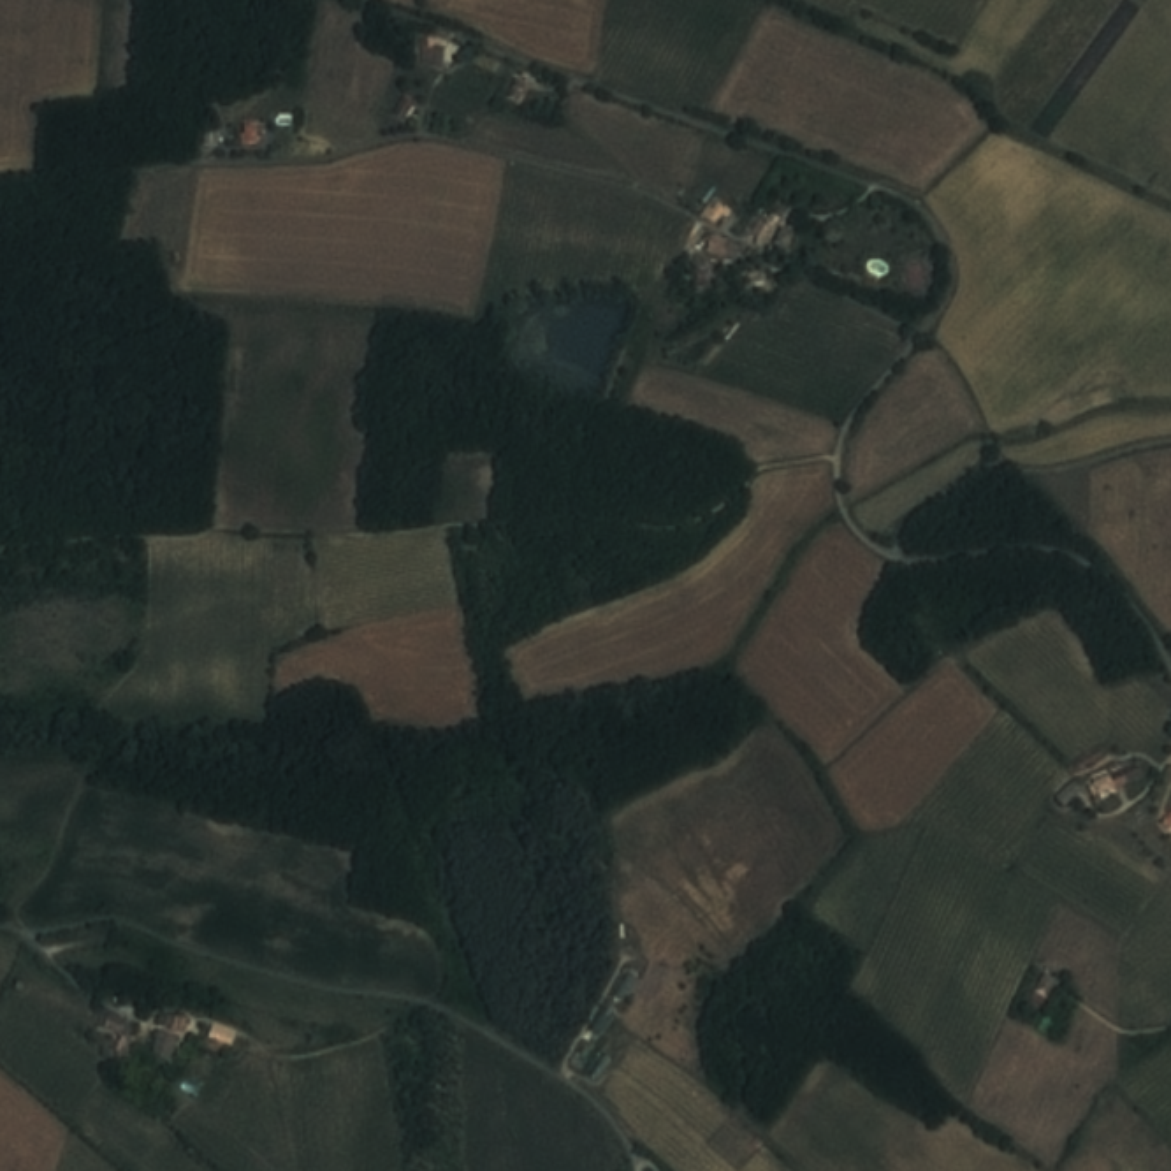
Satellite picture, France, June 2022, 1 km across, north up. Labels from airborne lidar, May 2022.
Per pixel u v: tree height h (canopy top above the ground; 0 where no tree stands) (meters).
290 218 0
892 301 16
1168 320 0
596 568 13
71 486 19
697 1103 0
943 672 0
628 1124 0
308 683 14
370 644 0
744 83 0
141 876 0
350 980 0
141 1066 9
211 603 0
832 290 13
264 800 17
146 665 0
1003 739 0
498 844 23
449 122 6
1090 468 0
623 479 12
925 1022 0
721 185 0
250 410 0
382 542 0
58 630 0
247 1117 0
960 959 0
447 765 23
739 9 0
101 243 17
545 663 0
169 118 12
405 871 14
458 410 16
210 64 18
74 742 28
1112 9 0
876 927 0
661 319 0
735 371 0
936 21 0
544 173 0
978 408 0
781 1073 13
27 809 0
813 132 0
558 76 12
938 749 0
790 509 0
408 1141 15
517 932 22
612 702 23
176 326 17
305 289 0
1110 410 0
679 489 13
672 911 0
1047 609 10
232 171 0
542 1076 0
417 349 17
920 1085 12
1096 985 0
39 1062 0
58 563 12
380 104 0
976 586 9
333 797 19
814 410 0
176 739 6
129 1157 0
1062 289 0
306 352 0
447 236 0
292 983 0
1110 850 0
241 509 0
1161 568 0
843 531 0
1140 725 0
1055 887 0
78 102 8
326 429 0
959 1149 0
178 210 0
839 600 0
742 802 0
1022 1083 0
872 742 0
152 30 16
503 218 0
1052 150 0
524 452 14
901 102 0
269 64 18
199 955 0
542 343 0
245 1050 0
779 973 13
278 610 0
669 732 17
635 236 0
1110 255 0
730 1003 12
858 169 0
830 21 15
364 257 0
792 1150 0
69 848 0
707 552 9
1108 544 0
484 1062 0
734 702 18
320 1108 0
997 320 0
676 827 0
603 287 20
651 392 0
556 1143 0
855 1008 17
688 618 0
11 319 21
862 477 0
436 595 0
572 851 9
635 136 0
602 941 18
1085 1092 0
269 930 0
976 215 0
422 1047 13
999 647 0
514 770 21
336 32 0
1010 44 0
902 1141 0
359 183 0
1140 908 0
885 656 9
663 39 0
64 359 20
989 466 10
